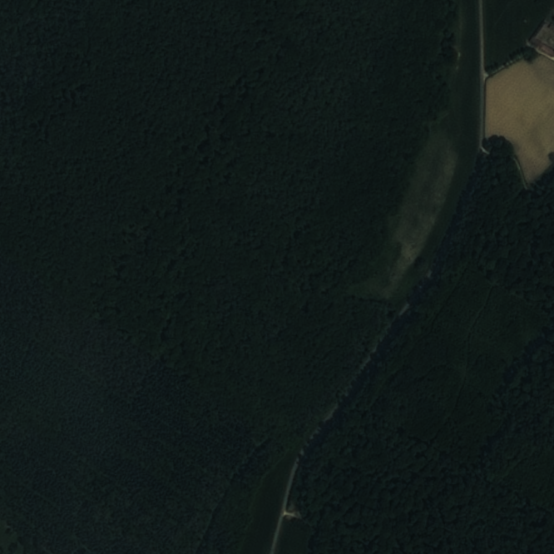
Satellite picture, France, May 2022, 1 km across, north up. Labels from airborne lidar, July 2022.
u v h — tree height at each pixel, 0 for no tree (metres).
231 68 21
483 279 6
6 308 14
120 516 18
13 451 18
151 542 12
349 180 25
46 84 25
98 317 19
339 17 9
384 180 28
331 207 22
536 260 27
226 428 18
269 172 12
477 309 6
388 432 25
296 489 8
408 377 18
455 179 0
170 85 13
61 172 15
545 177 0
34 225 15
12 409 15
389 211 26
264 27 22
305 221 19
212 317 20
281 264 16
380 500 33
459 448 9
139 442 19
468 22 0
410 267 0
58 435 19
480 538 20
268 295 19
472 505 22
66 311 19
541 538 25
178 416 17
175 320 24
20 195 16
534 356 30
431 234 0
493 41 0
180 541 11
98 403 21
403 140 25
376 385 25
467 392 6
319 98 23
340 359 23
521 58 12
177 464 17
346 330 19
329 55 17
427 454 25
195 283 25
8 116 25
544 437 20
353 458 31
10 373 15
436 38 22
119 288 24
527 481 10
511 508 26
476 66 0
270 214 18
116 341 25
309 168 14
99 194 11
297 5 28
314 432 0
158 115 14
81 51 18
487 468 21
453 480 29
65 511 24
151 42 13
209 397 13
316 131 15
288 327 17
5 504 16
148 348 22
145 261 27
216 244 21
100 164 15
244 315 21
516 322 7
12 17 18
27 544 24
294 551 0
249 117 22
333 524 20
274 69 20
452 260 27
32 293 14
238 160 22
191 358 25
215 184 23
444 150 0
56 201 17
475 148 0
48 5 19
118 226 21
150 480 21
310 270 17
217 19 14
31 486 16
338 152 16
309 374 15
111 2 19
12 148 16
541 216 30
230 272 23
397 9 19
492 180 31
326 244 12
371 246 19
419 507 32
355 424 24
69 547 24
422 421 14
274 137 23
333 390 15
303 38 16
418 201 0
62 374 21
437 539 24
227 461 16
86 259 17
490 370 6
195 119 19
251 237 19
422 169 0
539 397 27
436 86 23
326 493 27
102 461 25
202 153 26
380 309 23
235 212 20
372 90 19
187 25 16
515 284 30
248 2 21
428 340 10
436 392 14
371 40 14
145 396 22
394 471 27
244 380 17
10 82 29
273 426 14
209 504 13
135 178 15
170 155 16
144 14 16
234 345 19
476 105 0
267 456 20
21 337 17
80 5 23
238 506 22
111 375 18
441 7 24
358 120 20
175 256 26
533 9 0
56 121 22
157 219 23
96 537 16
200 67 14
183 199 24
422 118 24
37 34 22
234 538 21
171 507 17
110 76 13
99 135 15
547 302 28
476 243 32
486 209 27
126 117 13
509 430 23
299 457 0
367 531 32
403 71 23
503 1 0
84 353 21
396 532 33
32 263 15
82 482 16
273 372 20
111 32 19
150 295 24
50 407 16
